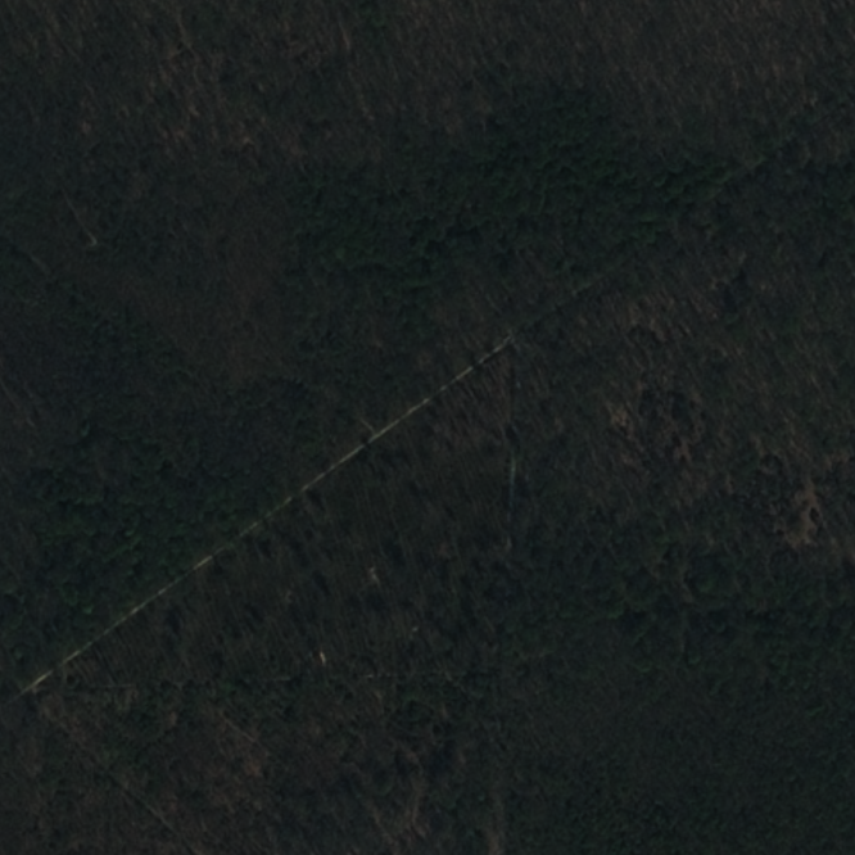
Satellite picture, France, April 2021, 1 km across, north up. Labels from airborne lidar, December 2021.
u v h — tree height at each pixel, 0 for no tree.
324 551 34
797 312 31
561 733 26
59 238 10
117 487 33
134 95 30
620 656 35
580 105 25
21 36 25
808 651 35
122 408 25
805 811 25
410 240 32
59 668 30
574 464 28
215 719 8
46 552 22
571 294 23
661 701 28
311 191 25
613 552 36
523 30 27
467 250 31
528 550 36
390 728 7
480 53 26
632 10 27
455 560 9
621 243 16
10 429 29
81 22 31
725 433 27
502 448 31
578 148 20
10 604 32
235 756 9
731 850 26
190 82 22
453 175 32
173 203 11
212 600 7
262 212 19
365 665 9
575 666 36
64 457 25
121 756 14
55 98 6
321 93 28
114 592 33
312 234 22
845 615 36
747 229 18
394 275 29
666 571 13
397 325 32
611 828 24
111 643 6
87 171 22
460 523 30
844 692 22
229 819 6
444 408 30
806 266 33
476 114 31
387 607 20
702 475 25
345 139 26
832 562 23
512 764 27
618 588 36
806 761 25
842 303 35
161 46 31
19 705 33
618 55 28
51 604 37
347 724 15
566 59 29
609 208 24
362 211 24
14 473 34
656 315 29
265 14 32
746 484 24
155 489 34
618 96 29
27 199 12
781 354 25
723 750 28
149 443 35
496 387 32
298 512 7
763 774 26
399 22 24
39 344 24
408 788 35
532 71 29
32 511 36
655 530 31
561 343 30
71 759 15
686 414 29
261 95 26
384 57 27
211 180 23
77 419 33
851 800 27
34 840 18
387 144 26
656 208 32
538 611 29
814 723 27
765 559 28
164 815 13
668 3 28
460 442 32
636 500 31
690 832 25
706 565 32
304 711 16
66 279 22
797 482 22
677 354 32
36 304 29
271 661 8
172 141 27
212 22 28
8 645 32
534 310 26
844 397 30
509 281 14
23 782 20
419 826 0
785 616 27
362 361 23
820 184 33
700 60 26
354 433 26
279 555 34
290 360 25
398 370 24
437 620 0
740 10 27
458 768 28
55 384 29
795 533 19
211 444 27
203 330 17
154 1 27
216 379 26
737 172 28
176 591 27
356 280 27
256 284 23
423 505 34
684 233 26
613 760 24
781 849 26
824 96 26
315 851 34
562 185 28
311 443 27
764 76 28
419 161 23
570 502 25
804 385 30
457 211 16
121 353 27
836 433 30
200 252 23
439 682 10
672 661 26
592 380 27
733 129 29
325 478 33
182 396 32
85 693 16
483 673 17
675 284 31
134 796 14
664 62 29
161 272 12
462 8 24
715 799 30
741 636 32
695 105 27
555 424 30
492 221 20
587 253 29
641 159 30
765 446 27
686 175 19
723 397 31
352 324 27
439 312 23
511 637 35
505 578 28
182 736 15
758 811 26
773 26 26
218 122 27
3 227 15
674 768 26
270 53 26
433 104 26
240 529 31
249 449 35
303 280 26
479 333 27
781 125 31
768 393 29
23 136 20
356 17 27
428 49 22
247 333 16
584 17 28
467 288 34
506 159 23
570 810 18
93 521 33
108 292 24
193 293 17
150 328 20
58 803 8
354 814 13
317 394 22
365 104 25
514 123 29
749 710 22
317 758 15
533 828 20
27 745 25
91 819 13
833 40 27
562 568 40
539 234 31
